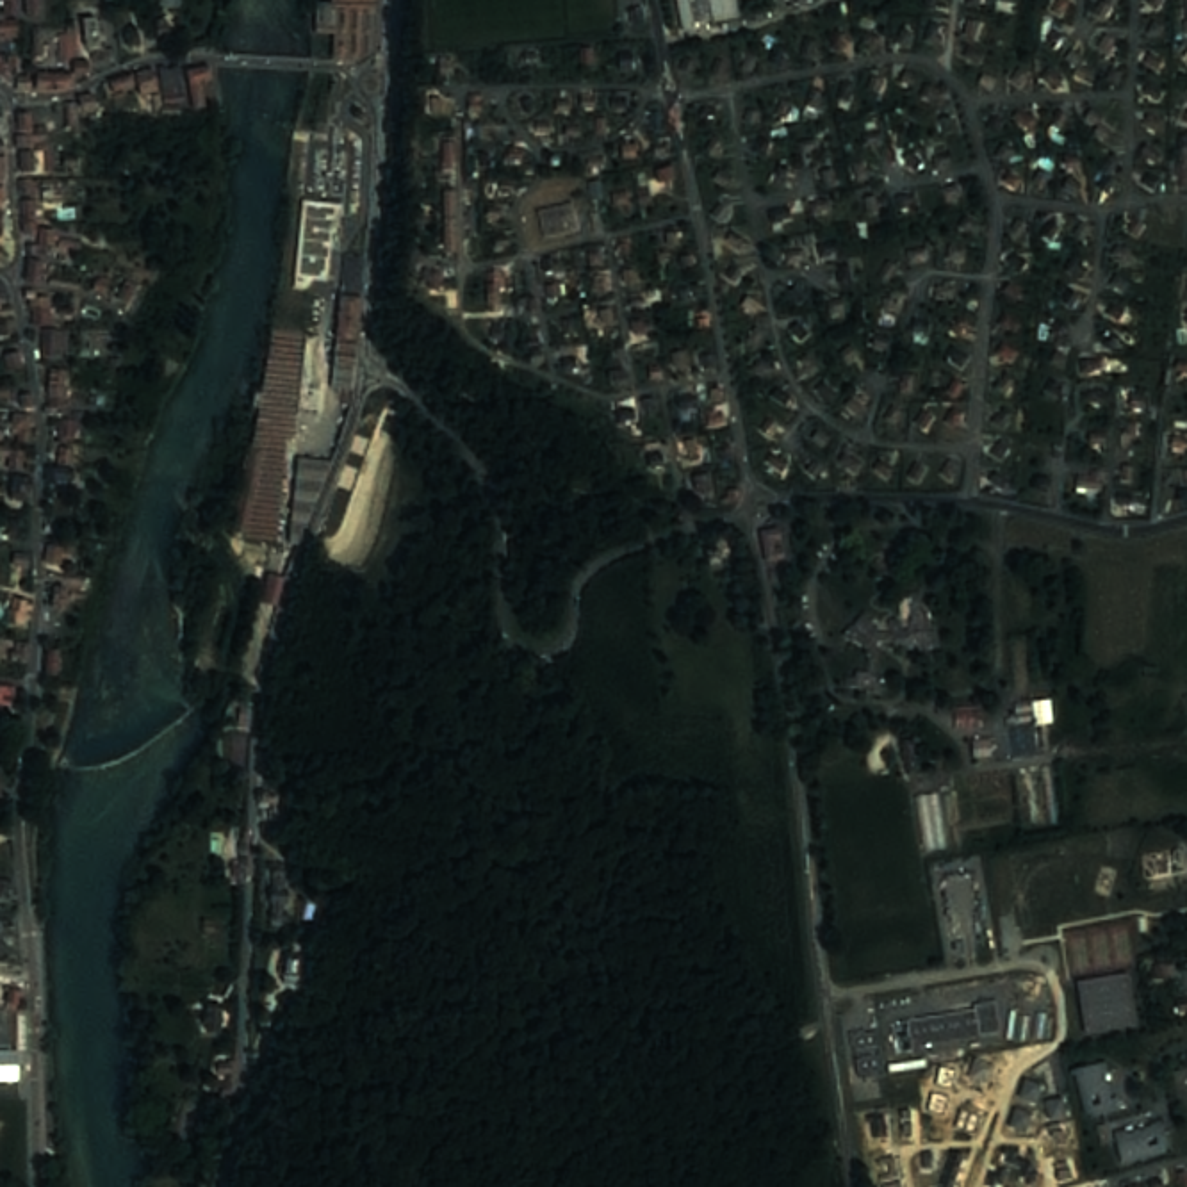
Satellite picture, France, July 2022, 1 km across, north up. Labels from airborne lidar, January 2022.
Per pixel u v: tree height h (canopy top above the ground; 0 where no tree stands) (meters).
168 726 0
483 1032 25
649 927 28
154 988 0
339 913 11
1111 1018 0
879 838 0
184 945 6
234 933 8
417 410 21
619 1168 28
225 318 0
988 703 20
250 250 0
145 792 0
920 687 17
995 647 17
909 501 0
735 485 5
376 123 0
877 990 0
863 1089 0
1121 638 0
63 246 0
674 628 16
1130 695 0
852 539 19
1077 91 0
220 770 18
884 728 10
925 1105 0
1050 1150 0
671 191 0
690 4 0
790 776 0
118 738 0
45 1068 0
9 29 0
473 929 25
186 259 8
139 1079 26
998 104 0
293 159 0
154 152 13
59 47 0
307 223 0
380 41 0
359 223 0
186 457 0
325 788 28
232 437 19
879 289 0
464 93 0
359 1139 25
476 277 0
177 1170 18
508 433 19
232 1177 24
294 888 13
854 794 0
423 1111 25
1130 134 0
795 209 0
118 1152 0
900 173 0
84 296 0
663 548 13
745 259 0
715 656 0
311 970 14
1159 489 0
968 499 0
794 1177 23
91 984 0
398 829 18
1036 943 0
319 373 0
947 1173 7
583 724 31
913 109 6
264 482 0
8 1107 0
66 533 20
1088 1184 0
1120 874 0
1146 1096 7
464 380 21
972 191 15
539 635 13
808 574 19
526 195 0
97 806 0
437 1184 27
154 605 0
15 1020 0
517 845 28
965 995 0
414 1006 17
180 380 0
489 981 25
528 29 0
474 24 0
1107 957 0
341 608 6
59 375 0
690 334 9
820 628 0
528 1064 23
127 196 7
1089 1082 0
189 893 0
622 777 8
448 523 25
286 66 0
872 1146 0
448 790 25
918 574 10
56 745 19
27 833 0
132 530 0
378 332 16
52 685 12
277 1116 23
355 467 0
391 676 27
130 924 15
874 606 0
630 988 26
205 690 17
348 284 0
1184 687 0
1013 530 0
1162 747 0
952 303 9
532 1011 27
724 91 0
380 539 0
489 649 25
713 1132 28
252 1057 9
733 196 0
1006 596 0
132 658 0
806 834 0
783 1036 19
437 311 0
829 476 0
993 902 0
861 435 0
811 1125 21
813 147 7
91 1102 0
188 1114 0
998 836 0
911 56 0
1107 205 0
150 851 10
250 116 0
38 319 0
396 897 9
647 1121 20
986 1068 0
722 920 25
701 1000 23
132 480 0
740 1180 25
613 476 18
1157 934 8
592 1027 27
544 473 21
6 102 0
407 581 21
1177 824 10
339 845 9
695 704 0
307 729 7
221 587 0
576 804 22
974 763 7
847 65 0
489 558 22
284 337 0
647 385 0
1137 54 0
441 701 29
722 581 17
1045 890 0
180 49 21
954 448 0
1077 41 0
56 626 0
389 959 15
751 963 25
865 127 0
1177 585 0
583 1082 30
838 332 12
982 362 0
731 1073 26
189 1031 0
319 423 0
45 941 0
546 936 25
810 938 0
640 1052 28
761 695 11
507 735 18
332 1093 26
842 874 0
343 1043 16
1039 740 0
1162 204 0
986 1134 0
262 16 0
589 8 0
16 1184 19
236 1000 7
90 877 0
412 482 0
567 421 21
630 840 27
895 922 0
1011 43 0
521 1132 27
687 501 20
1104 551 0
